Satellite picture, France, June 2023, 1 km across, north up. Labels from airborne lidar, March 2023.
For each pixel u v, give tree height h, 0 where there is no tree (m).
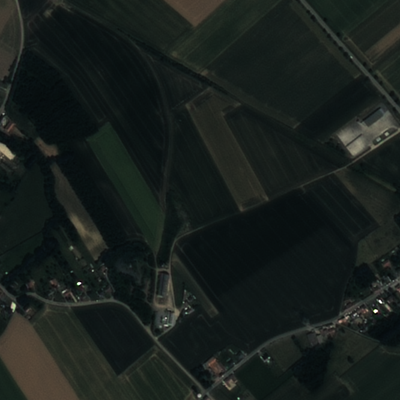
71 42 0
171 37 0
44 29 0
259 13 0
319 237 0
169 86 0
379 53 0
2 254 0
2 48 0
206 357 0
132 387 0
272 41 0
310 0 0
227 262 0
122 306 0
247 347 0
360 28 0
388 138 0
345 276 0
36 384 0
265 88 0
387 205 0
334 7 0
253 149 0
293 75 0
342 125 0
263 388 0
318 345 12
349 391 0
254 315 0
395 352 0
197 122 0
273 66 0
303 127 0
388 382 0
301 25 0
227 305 0
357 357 0
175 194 0
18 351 0
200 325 0
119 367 0
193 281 0
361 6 0
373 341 0
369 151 0
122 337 0
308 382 15
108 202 0
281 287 0
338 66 0
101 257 7
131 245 9
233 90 0
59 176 0
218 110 0
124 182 0
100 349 0
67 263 12
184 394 0
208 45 0
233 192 0
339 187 0
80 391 0
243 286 0
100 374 0
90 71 0
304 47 0
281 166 0
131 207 0
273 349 0
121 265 0
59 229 12
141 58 0
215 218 0
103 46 0
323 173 0
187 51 0
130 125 0
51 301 0
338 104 0
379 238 0
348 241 0
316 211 0
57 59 0
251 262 0
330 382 0
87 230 0
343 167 0
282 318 0
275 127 0
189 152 0
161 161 0
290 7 0
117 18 0
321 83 0
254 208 0
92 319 0
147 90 0
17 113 0
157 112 0
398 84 0
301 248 0
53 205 18
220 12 0
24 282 8
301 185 0
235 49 0
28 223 0
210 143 0
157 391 0
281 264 0
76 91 0
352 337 0
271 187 0
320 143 0
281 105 0
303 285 0
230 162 0
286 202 0
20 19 0
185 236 0
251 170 0
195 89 0
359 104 0
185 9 0
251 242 0
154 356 0
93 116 0
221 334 0
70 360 0
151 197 0
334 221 0
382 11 0
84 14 0
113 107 0
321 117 0
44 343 0
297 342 10
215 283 0
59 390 0
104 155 0
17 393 0
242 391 0
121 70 0
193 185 0
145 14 0
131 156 0
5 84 0
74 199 0
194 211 0
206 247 0
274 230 0
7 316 0
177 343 0
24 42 0
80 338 0
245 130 0
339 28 0
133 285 8
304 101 0
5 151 0
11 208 0
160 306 0
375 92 0
